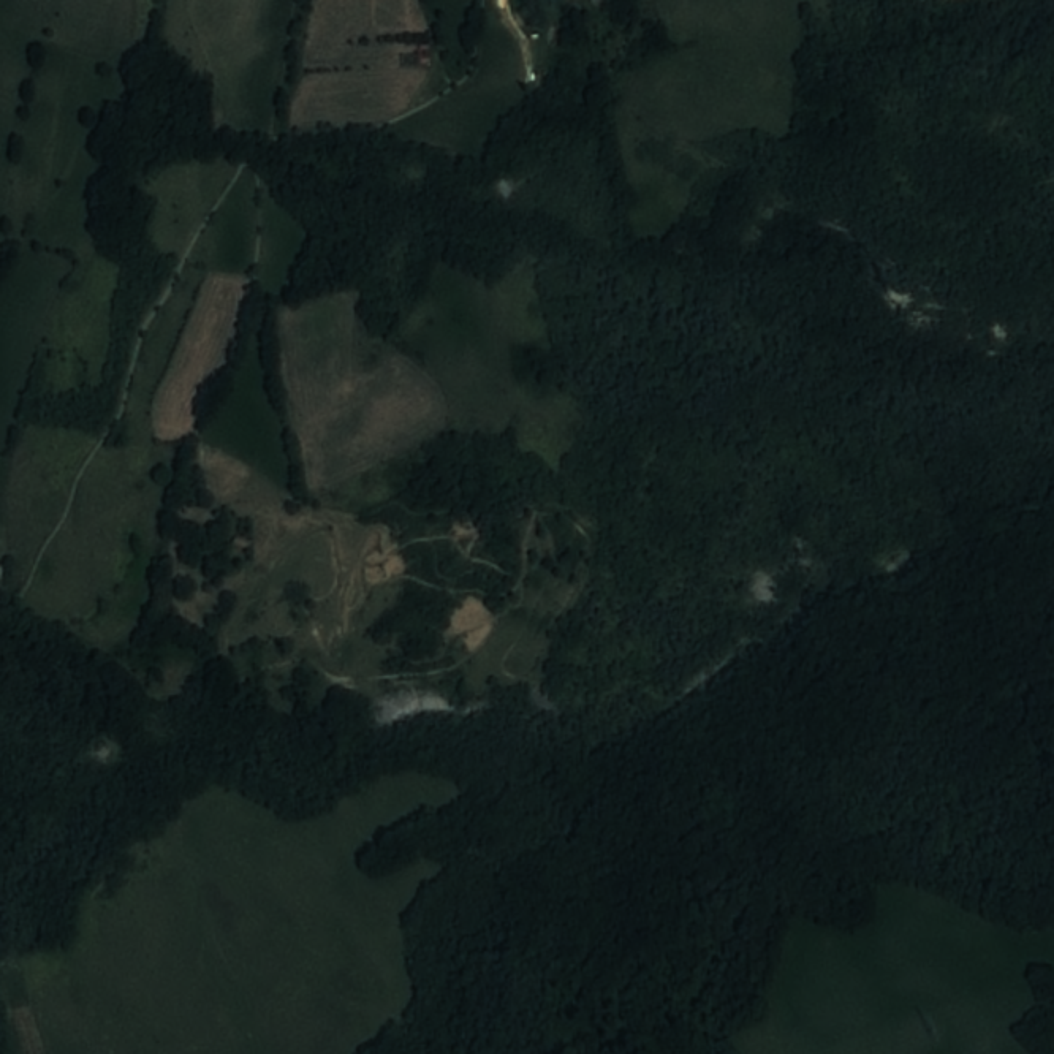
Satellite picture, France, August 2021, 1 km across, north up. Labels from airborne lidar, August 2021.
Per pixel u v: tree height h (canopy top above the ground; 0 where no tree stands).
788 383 15
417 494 7
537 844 16
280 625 0
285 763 18
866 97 10
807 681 22
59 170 0
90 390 11
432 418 0
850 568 10
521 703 8
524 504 12
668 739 20
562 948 18
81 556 0
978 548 25
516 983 17
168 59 22
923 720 23
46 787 16
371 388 0
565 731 5
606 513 9
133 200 21
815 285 20
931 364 16
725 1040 12
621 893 21
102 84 0
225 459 0
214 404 21
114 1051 0
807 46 9
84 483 0
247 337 16
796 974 0
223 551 12
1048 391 14
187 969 0
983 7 16
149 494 0
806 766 22
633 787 19
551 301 8
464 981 24
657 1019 8
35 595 0
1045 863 26
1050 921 16
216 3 0
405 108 0
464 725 11
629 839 22
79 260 10
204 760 20
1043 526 26
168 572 20
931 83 11
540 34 0
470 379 0
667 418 12
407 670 8
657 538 9
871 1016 0
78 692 23
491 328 0
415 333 0
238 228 0
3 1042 6
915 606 21
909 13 18
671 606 13
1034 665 29
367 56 0
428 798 0
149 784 22
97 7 0
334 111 0
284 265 0
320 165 6
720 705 16
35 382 11
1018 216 6
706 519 14
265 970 0
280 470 0
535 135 12
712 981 9
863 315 20
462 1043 16
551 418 0
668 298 8
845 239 16
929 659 25
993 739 29
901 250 13
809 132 10
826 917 18
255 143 19
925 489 14
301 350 0
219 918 0
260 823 0
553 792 14
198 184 0
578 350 6
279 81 0
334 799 16
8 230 11
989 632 26
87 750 9
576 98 10
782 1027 0
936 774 14
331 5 0
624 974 22
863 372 18
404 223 9
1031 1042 14
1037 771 19
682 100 0
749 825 27
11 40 0
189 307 7
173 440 7
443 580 6
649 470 7
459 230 17
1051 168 13
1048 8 8
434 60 0
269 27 0
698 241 17
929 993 0
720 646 15
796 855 24
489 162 17
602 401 13
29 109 10
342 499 0
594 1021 10
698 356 14
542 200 10
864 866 19
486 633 0
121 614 0
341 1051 0
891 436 8
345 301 0
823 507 9
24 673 19
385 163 16
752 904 20
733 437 10
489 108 0
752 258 19
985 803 17
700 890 20
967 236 17
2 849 21
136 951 0
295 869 0
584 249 15
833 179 18
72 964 0
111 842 16
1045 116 10
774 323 13
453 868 14
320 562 0
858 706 23
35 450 0
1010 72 12
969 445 17
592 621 11
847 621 25
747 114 0
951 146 14
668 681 9
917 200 12
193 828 0
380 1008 0
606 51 6
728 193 13
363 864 15
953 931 0
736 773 24
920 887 11
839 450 10
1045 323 6
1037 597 28
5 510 0
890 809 12
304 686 10
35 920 13
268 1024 0
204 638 22
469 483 19
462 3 0
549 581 0
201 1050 0
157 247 10
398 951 0
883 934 0
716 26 0
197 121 21
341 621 0
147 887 0
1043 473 23
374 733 13
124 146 25
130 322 8
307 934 0
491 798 17
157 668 7
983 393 8
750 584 8
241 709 17
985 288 17
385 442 0
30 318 0
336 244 22
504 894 20
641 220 0
